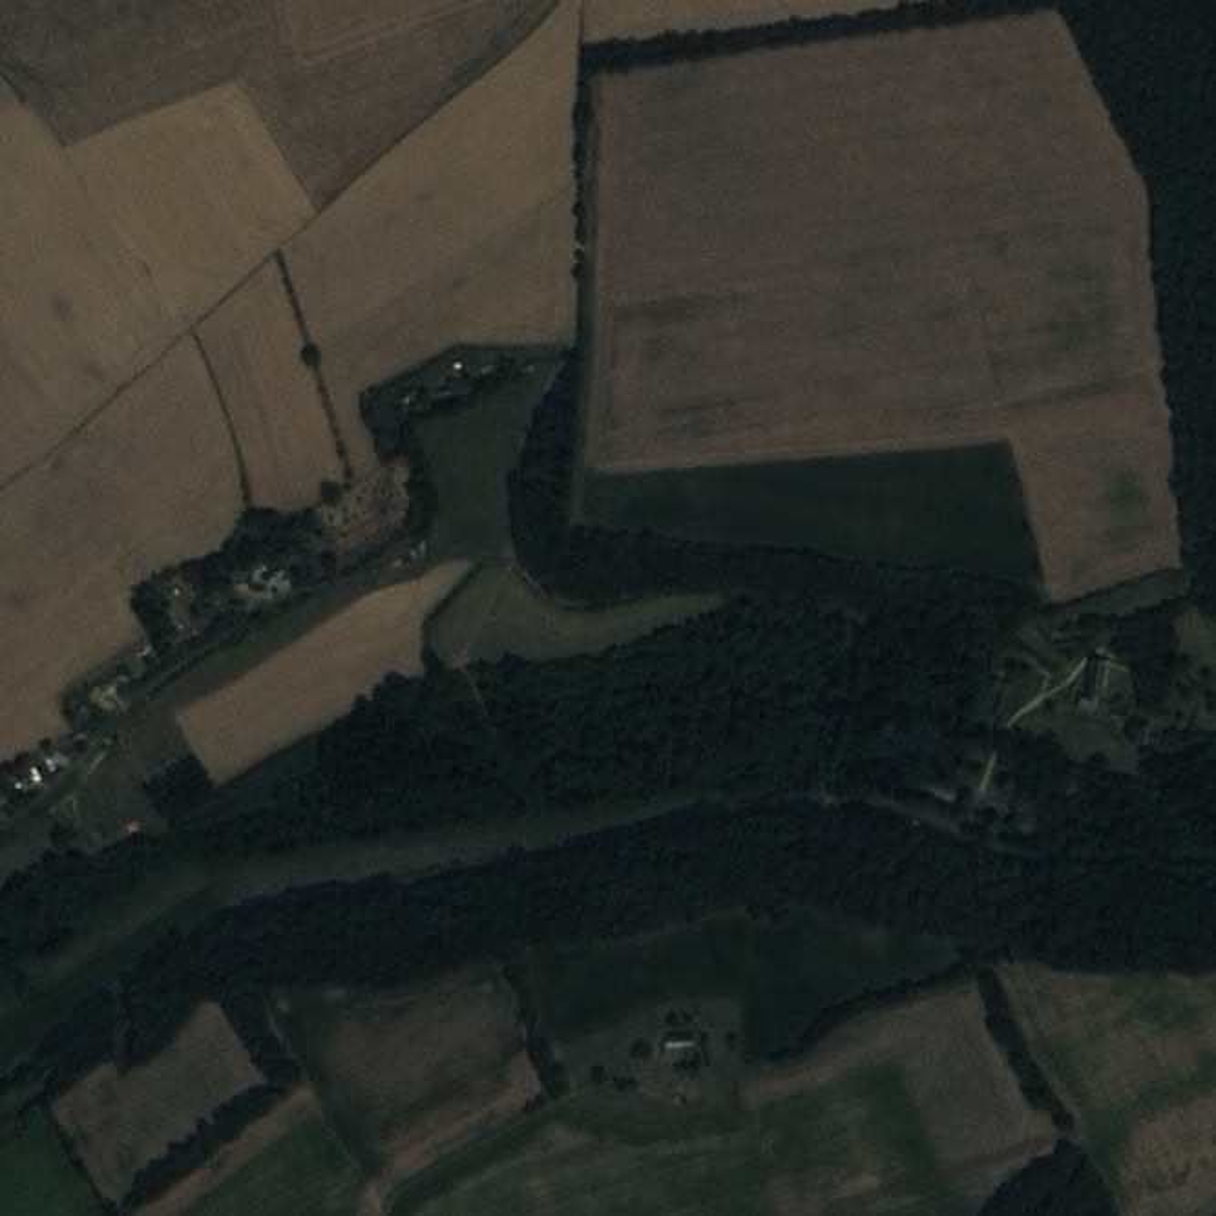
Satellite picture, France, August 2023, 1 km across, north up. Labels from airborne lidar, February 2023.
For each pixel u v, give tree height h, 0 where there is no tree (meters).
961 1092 0
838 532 0
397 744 11
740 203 0
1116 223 0
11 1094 11
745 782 15
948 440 0
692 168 0
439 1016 0
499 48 0
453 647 0
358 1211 0
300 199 0
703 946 0
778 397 0
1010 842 18
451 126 0
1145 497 0
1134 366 0
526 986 11
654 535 11
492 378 10
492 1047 0
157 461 0
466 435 0
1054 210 0
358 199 0
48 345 0
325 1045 0
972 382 0
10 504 0
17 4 0
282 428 0
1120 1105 0
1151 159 21
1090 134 0
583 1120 0
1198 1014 0
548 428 15
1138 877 22
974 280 0
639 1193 0
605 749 15
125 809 0
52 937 13
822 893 20
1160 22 24
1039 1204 10
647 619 0
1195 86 22
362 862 0
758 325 0
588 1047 0
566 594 14
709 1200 0
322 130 0
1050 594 0
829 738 14
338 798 13
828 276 0
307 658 0
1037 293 0
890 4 0
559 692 11
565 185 0
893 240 0
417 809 7
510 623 0
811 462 0
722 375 0
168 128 0
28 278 0
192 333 0
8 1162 0
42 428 0
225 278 0
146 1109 0
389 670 0
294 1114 0
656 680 8
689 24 0
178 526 0
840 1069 0
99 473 0
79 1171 12
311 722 0
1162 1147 0
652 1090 0
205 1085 0
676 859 16
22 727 0
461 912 20
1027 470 0
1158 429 0
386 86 0
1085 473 0
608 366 0
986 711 0
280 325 0
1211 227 20
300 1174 0
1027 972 0
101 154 0
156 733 0
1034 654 10
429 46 0
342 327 0
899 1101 0
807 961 0
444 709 10
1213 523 25
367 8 0
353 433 0
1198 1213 0
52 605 0
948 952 0
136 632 0
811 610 11
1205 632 0
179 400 0
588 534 11
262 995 12
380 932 24
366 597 0
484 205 0
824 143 0
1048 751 15
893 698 16
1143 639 16
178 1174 11
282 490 0
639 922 20
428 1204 0
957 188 0
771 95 0
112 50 0
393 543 6
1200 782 20
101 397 0
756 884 22
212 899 0
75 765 0
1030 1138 0
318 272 0
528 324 0
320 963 17
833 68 0
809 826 27
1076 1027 0
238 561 9
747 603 19
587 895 18
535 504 20
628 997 0
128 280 0
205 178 0
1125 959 17
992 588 6
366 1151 0
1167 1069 0
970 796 12
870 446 0
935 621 14
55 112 0
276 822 9
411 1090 0
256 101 0
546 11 0
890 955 0
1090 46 19
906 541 0
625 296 0
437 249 0
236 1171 0
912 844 24
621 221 0
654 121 0
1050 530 0
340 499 13
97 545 0
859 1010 9
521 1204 0
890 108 0
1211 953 20
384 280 0
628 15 0
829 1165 0
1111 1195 13
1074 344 0
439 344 0
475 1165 0
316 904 21
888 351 0
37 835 0
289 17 0
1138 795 10
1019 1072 16
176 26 0
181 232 0
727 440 0
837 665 9
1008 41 0
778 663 10
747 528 0
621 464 0
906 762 17
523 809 15
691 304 0
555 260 0
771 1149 0
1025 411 0
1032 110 0
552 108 0
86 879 9
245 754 0
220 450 0
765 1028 0
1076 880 24
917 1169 0
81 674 0
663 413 0
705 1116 0
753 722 23
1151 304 0
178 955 22
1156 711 13
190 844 8
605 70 11
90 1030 21
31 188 0
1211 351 20
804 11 0
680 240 0
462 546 0
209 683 0
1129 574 0
